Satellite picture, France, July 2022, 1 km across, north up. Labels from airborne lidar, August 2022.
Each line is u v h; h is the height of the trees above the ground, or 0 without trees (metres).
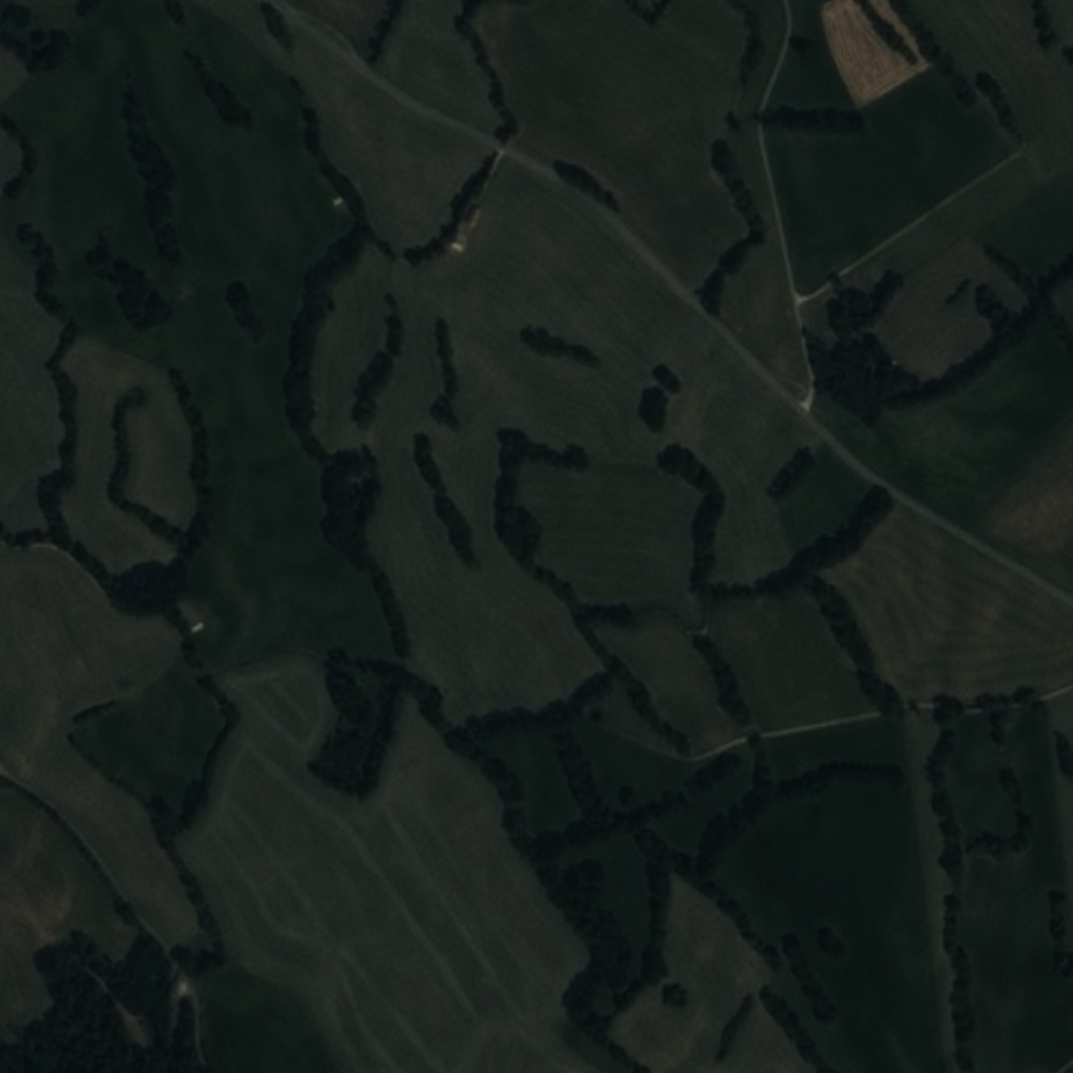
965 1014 13
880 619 0
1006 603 0
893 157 0
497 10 0
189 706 0
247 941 0
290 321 0
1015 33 0
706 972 0
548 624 0
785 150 0
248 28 0
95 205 0
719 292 15
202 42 0
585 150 0
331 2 0
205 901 14
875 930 0
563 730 19
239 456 0
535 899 0
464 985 0
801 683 0
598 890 18
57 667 0
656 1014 0
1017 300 0
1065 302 0
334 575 0
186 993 0
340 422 0
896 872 0
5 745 0
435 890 0
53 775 0
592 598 0
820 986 16
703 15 0
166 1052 16
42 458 0
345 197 17
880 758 0
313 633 0
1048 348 0
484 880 0
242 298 19
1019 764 0
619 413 0
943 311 0
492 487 0
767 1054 0
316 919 0
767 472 0
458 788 0
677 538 0
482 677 0
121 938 0
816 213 0
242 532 0
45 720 0
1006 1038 0
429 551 0
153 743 0
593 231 0
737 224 0
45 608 0
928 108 0
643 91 0
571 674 0
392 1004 0
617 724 0
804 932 0
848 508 0
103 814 0
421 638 0
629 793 15
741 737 0
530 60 0
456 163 0
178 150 0
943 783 13
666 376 15
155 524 18
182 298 0
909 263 0
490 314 0
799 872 0
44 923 0
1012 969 0
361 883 0
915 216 0
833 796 0
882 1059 0
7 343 0
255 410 0
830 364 17
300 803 0
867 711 0
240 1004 0
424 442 16
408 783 0
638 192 0
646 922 0
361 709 29
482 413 0
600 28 0
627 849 0
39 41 15
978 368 16
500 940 0
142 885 0
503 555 0
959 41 0
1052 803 0
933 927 0
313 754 0
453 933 0
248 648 0
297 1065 0
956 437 0
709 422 0
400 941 0
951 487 0
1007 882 0
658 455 0
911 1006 0
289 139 0
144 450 0
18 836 0
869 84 0
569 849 12
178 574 17
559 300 0
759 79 0
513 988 0
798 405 0
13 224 0
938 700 7
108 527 0
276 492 0
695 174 0
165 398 0
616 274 0
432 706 22
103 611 0
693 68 0
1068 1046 0
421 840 0
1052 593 0
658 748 0
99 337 0
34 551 0
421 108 0
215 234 0
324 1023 0
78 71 0
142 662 0
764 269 0
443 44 0
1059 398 0
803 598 0
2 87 0
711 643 21
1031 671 0
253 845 0
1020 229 0
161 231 20
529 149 0
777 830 0
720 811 0
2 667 0
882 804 0
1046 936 0
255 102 0
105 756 0
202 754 0
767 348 0
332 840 0
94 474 0
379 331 0
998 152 0
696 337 0
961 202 0
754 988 0
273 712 0
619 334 0
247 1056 0
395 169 0
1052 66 0
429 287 0
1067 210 0
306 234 0
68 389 18
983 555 0
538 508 0
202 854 0
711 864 18
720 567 0
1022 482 0
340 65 0
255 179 0
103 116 0
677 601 0
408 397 0
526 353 0
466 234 0
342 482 21
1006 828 0
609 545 0
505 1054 0
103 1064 24
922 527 0
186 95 0
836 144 0
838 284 15
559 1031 0
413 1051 0
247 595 0
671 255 0
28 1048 21
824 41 0
